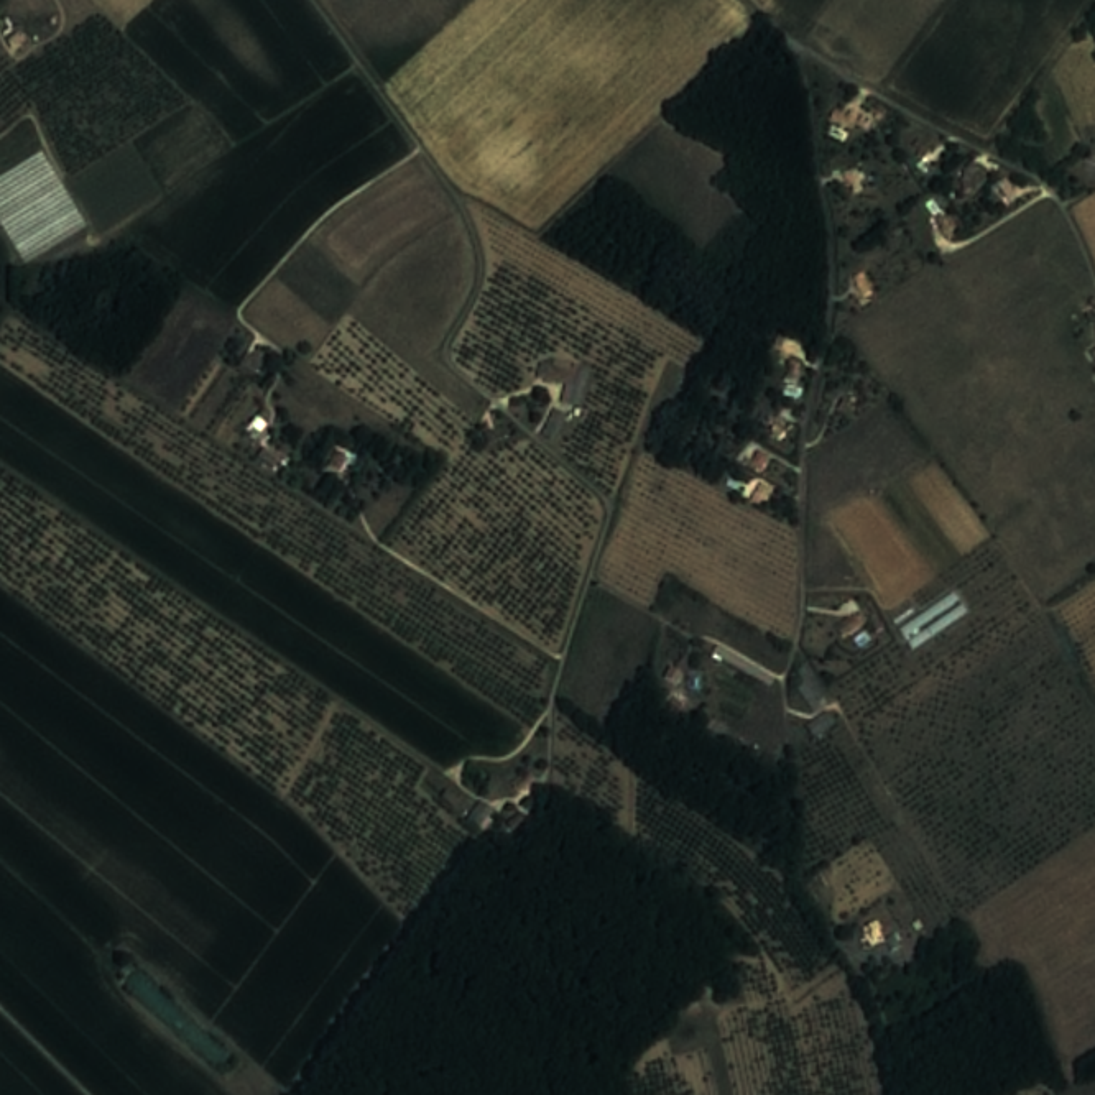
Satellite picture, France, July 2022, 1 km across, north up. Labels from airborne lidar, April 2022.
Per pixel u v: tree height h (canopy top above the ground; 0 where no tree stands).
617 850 25
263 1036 0
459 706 0
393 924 0
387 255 0
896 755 0
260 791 0
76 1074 0
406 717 0
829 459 0
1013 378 0
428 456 7
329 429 12
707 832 6
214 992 0
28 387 0
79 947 0
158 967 0
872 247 15
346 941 0
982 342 0
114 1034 0
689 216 0
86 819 0
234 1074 0
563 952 26
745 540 0
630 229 13
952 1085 21
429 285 0
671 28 0
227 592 0
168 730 0
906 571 0
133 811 0
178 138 0
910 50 0
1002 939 0
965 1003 21
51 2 0
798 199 9
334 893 0
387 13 0
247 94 0
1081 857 0
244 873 0
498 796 0
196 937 0
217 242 0
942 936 9
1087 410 0
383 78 0
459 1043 27
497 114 0
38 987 0
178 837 0
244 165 0
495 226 0
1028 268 0
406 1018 26
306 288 0
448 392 0
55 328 18
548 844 27
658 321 0
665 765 21
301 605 0
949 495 0
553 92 0
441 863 6
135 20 0
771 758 0
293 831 0
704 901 6
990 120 0
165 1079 0
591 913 29
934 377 0
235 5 0
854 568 0
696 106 16
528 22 0
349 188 0
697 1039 0
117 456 0
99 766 0
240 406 0
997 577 0
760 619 0
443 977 27
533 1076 28
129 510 0
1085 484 0
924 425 0
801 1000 0
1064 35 0
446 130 0
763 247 7
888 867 0
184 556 0
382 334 0
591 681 0
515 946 27
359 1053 25
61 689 0
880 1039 13
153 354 0
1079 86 0
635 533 0
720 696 0
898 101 0
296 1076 0
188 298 0
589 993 28
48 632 0
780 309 23
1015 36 0
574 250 13
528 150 0
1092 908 0
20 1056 0
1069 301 0
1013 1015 24
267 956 0
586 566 0
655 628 0
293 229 0
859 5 0
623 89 0
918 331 0
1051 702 0
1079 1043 0
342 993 0
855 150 8
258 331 0
